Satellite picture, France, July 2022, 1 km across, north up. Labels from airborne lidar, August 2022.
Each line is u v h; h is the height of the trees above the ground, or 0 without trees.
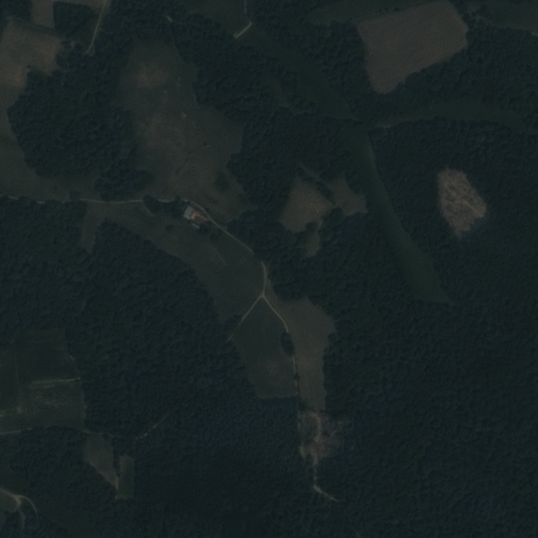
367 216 11
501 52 24
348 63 26
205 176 0
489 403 29
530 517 35
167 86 0
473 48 16
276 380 0
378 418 31
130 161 21
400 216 22
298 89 8
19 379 0
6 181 0
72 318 22
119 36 23
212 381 26
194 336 23
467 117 0
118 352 21
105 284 31
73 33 22
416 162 23
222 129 0
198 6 0
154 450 21
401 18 0
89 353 21
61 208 20
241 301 0
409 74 0
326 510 20
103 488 9
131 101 0
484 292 30
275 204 27
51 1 0
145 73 0
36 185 0
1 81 0
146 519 19
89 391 24
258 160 29
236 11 0
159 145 0
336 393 19
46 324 23
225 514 23
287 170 24
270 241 17
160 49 0
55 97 33
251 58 29
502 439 10
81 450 12
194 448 18
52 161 22
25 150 18
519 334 30
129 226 0
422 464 36
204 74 24
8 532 25
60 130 9
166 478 19
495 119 0
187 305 22
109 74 30
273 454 13
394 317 19
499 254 26
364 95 25
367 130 0
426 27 0
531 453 34
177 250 0
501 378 18
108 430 12
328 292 17
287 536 8
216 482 19
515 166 26
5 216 20
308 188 0
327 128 23
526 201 31
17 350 0
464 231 0
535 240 25
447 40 0
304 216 0
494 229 24
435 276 0
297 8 23
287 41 25
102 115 7
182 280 21
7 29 0
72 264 25
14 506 0
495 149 32
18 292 27
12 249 23
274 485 25
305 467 20
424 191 25
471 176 23
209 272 0
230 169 14
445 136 25
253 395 23
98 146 34
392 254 13
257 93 28
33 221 27
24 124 25
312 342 0
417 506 23
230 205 0
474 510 29
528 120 16
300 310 0
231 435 20
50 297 24
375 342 21
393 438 23
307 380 0
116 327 28
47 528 19
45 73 0
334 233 11
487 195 20
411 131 30
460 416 24
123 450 15
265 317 0
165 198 0
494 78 22
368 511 15
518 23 0
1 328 26
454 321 28
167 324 25
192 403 18
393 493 19
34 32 0
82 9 14
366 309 33
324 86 0
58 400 0
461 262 23
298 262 24
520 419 28
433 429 30
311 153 28
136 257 21
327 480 15
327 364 14
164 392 20
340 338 7
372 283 21
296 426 27
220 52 27
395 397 38
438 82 12
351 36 15
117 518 16
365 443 30
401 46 0
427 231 27
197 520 21
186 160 0
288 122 27
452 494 28
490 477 21
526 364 18
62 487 20
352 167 17
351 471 20
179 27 17
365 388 25
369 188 0
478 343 23
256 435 20
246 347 0
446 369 24
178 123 0
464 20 15
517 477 35
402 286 11
